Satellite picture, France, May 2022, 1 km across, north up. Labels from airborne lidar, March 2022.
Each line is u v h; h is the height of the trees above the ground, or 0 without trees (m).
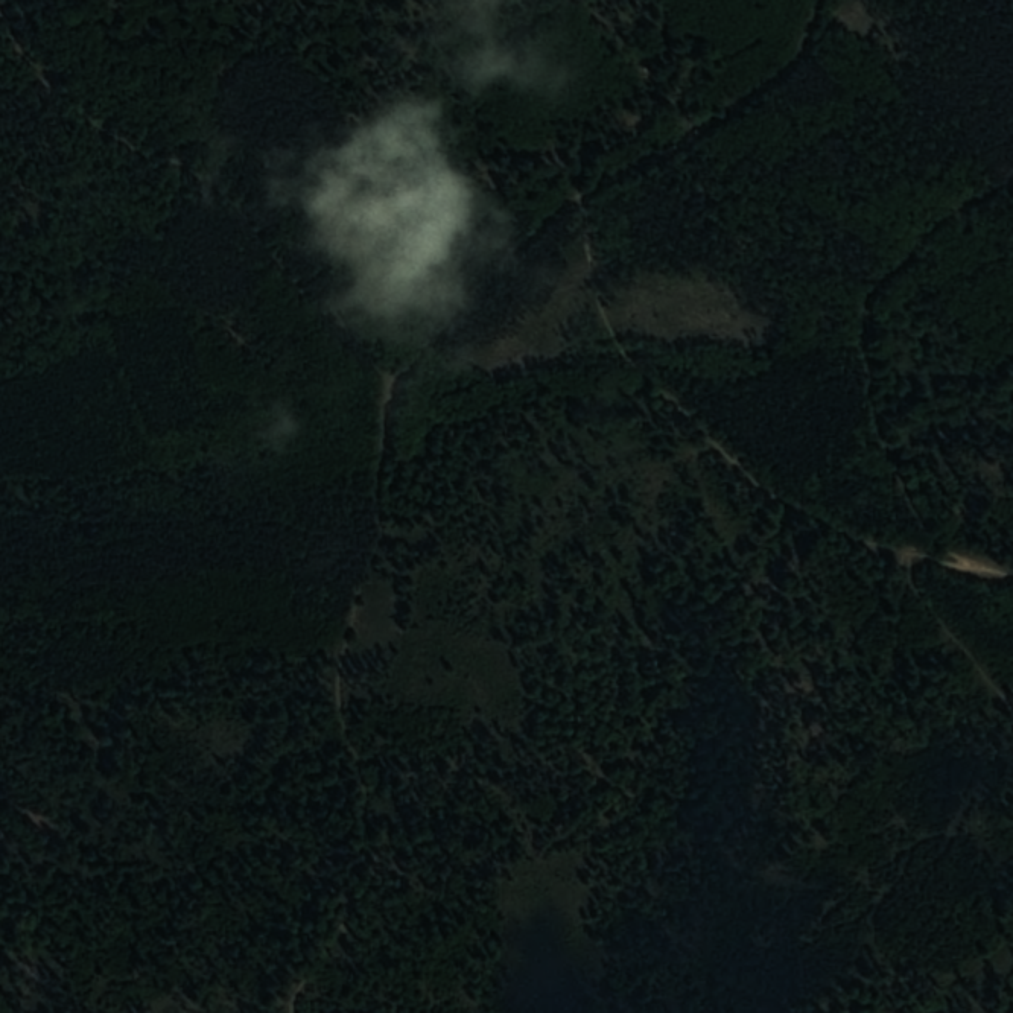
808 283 21
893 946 8
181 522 22
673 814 31
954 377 36
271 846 30
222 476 22
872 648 8
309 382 19
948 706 36
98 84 26
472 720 0
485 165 29
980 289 21
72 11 25
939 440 33
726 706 32
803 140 23
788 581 31
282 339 20
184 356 16
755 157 24
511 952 0
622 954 28
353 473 11
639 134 14
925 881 10
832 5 17
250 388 17
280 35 27
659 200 27
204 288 23
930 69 25
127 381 15
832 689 31
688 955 26
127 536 18
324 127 24
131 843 28
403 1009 10
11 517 22
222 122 21
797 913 6
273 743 30
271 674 32
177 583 15
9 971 31
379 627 0
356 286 20
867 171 22
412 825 24
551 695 23
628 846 24
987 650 6
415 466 6
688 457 0
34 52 21
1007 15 27
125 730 28
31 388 19
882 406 19
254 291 20
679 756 31
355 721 29
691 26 17
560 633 26
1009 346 22
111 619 13
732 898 27
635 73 12
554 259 30
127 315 15
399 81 28
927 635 8
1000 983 28
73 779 22
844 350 20
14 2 17
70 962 8
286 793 8
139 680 6
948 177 18
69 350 15
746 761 30
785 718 33
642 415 34
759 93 20
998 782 9
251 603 16
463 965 18
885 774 7
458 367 16
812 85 24
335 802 29
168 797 9
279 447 18
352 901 27
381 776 25
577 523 9
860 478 23
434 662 0
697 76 12
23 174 26
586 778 21
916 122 22
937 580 15
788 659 34
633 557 0
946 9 27
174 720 33
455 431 23
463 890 7
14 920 39
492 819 7
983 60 25
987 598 16
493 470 26
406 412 15
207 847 10
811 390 18
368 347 18
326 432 19
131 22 8
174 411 15
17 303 32
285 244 19
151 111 24
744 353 18
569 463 34
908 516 18
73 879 5
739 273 26
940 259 24
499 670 0
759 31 16
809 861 7
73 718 14
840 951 9
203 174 22
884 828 7
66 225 28
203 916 20
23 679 13
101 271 24
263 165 23
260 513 21
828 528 26
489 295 27
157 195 25
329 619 14
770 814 6
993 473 0
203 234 25
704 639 32
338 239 20
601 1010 5
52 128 23
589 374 21
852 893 8
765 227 21
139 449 16
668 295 0
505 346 0
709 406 13
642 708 27
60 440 18
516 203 21
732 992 7
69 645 11
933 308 21
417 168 16
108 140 20
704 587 34
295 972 31
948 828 9
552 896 0
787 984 9
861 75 21
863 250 26
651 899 24
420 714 6
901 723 34
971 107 25
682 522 7
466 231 27
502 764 28
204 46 12
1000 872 31
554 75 17
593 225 22
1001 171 25
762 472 18
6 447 18
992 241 18
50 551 24
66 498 15
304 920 31
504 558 28
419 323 18
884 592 31
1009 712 28
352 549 20
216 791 11
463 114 12
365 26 28
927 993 30
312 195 22
